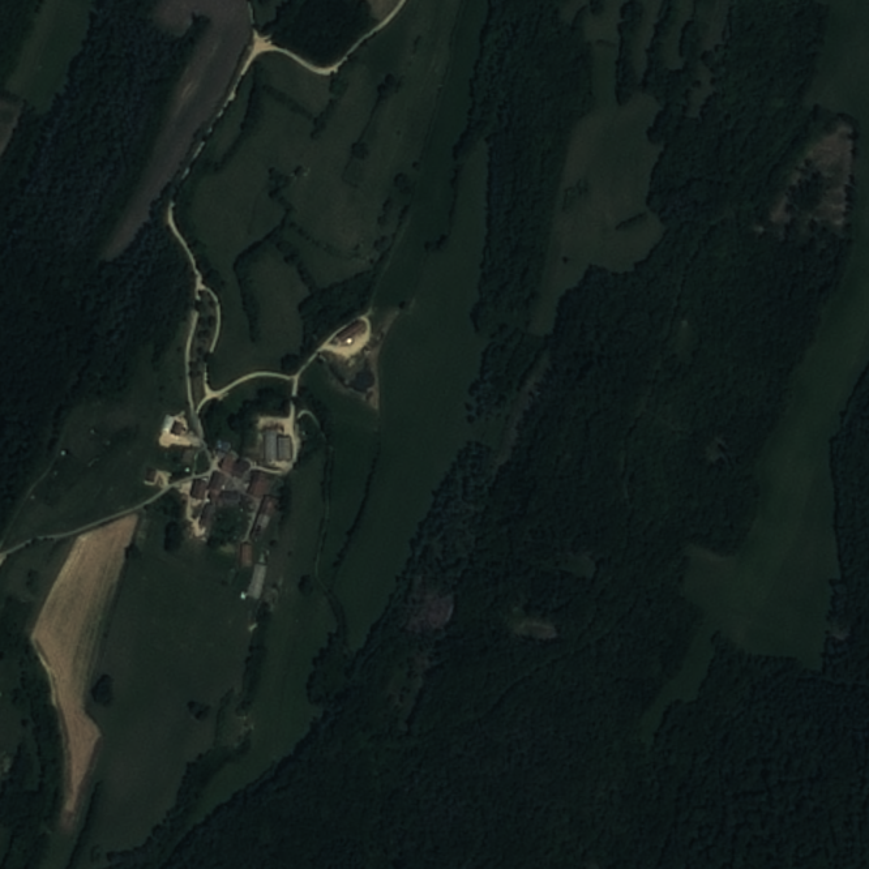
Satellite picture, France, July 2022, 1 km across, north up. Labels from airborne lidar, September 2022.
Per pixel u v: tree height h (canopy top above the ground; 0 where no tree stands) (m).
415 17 0
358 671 16
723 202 21
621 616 10
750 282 14
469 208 0
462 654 20
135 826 0
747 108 10
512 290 15
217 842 16
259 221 0
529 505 19
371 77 0
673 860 19
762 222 18
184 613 0
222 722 6
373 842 21
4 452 22
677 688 0
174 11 0
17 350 25
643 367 13
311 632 0
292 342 0
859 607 14
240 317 0
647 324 11
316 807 15
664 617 18
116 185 11
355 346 0
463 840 17
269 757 0
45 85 0
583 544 18
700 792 19
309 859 17
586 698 13
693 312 8
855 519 16
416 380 0
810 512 0
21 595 0
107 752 0
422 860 19
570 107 14
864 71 0
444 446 0
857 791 23
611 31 0
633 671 18
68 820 0
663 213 23
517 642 17
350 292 6
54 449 11
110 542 0
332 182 0
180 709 0
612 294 22
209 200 0
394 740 12
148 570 0
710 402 7
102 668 0
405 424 0
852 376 0
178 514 6
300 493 0
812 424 0
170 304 18
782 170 18
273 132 0
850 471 21
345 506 0
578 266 0
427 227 0
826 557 0
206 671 0
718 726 15
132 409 0
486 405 17
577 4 0
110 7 22
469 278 0
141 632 0
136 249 16
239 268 13
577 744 17
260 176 0
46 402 24
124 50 6
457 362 0
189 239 8
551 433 18
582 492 13
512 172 11
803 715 15
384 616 7
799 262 15
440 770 16
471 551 9
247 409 13
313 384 0
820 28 17
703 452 19
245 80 10
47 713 16
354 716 16
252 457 0
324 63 10
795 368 18
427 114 0
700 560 0
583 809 14
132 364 22
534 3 14
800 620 0
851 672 25
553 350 15
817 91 0
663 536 13
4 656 16
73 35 0
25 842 17
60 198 14
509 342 10
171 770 0
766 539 0
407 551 0
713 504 9
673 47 0
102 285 15
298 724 0
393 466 0
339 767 14
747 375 11
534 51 19
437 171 0
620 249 0
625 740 14
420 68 0
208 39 0
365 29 16
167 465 0
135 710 0
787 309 15
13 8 10
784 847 24
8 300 22
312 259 0
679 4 13
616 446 11
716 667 13
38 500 0
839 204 0
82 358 19
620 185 0
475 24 0
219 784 0
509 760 20
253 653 14
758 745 20
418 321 0
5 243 11
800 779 22
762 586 0
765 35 11
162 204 10
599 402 16
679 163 9
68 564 0
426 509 0
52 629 0
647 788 22
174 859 13
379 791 17
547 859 15
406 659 10
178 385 0
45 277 22
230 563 0
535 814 16
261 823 18
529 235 11
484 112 13
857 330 0
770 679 13
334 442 10
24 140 8
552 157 14
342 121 0
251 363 0
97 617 0
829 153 0
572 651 12
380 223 8
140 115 20
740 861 21
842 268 17
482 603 17
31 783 17
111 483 0
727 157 19
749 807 19
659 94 13
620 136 0
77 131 16
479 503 17
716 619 0
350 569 0
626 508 15
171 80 12
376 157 0
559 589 17
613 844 12
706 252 10
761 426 13
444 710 19
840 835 22
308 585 18
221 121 12
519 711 13
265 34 12
